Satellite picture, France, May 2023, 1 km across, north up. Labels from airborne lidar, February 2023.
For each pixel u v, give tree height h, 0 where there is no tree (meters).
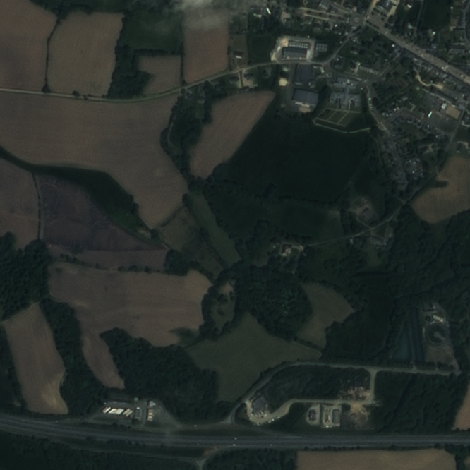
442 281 0
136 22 0
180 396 15
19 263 6
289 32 0
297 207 0
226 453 8
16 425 0
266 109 0
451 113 0
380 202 0
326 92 14
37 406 0
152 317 0
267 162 0
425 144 11
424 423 10
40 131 0
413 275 13
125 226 0
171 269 13
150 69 0
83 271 0
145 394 11
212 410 12
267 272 21
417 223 17
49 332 0
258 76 0
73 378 11
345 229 14
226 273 18
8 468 0
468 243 0
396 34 8
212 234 0
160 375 10
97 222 0
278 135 0
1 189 0
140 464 8
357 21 0
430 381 11
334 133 0
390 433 8
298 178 0
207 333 19
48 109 0
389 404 0
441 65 0
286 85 0
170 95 0
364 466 0
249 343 0
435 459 0
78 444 0
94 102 0
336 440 0
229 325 11
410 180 12
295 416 0
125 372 13
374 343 0
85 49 0
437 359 0
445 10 0
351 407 0
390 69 0
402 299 22
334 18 0
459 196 0
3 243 7
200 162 0
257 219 0
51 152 0
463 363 23
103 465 10
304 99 0
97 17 0
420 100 0
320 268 0
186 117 8
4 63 0
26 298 15
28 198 0
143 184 0
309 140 0
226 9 0
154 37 0
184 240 0
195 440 0
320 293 0
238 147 0
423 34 6
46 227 0
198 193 15
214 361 0
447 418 7
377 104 16
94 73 0
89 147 0
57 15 15
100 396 16
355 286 21
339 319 0
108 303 0
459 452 16
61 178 0
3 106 0
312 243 17
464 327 8
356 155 0
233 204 0
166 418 0
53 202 0
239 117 0
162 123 0
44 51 0
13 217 0
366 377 6
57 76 0
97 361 0
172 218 0
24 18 0
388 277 10
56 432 0
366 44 13
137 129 0
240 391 0
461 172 0
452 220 8
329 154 0
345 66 0
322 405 0
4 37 0
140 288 0
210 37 0
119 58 7
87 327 0
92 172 0
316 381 14
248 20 8
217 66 0
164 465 10
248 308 14
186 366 14
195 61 0
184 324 0
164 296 0
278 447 0
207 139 0
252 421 0
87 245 0
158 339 0
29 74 0
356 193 0
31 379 0
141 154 0
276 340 0
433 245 8
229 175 0
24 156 0
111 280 0
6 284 8
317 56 0
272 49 0
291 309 18
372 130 9
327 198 0
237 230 0
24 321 0
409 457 0
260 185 0
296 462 14
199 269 12
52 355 0
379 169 16
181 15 7
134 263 0
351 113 0
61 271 0
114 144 0
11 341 0
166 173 0
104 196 0
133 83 15
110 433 0
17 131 0
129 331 0
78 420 0
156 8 20
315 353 0
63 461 12
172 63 0
